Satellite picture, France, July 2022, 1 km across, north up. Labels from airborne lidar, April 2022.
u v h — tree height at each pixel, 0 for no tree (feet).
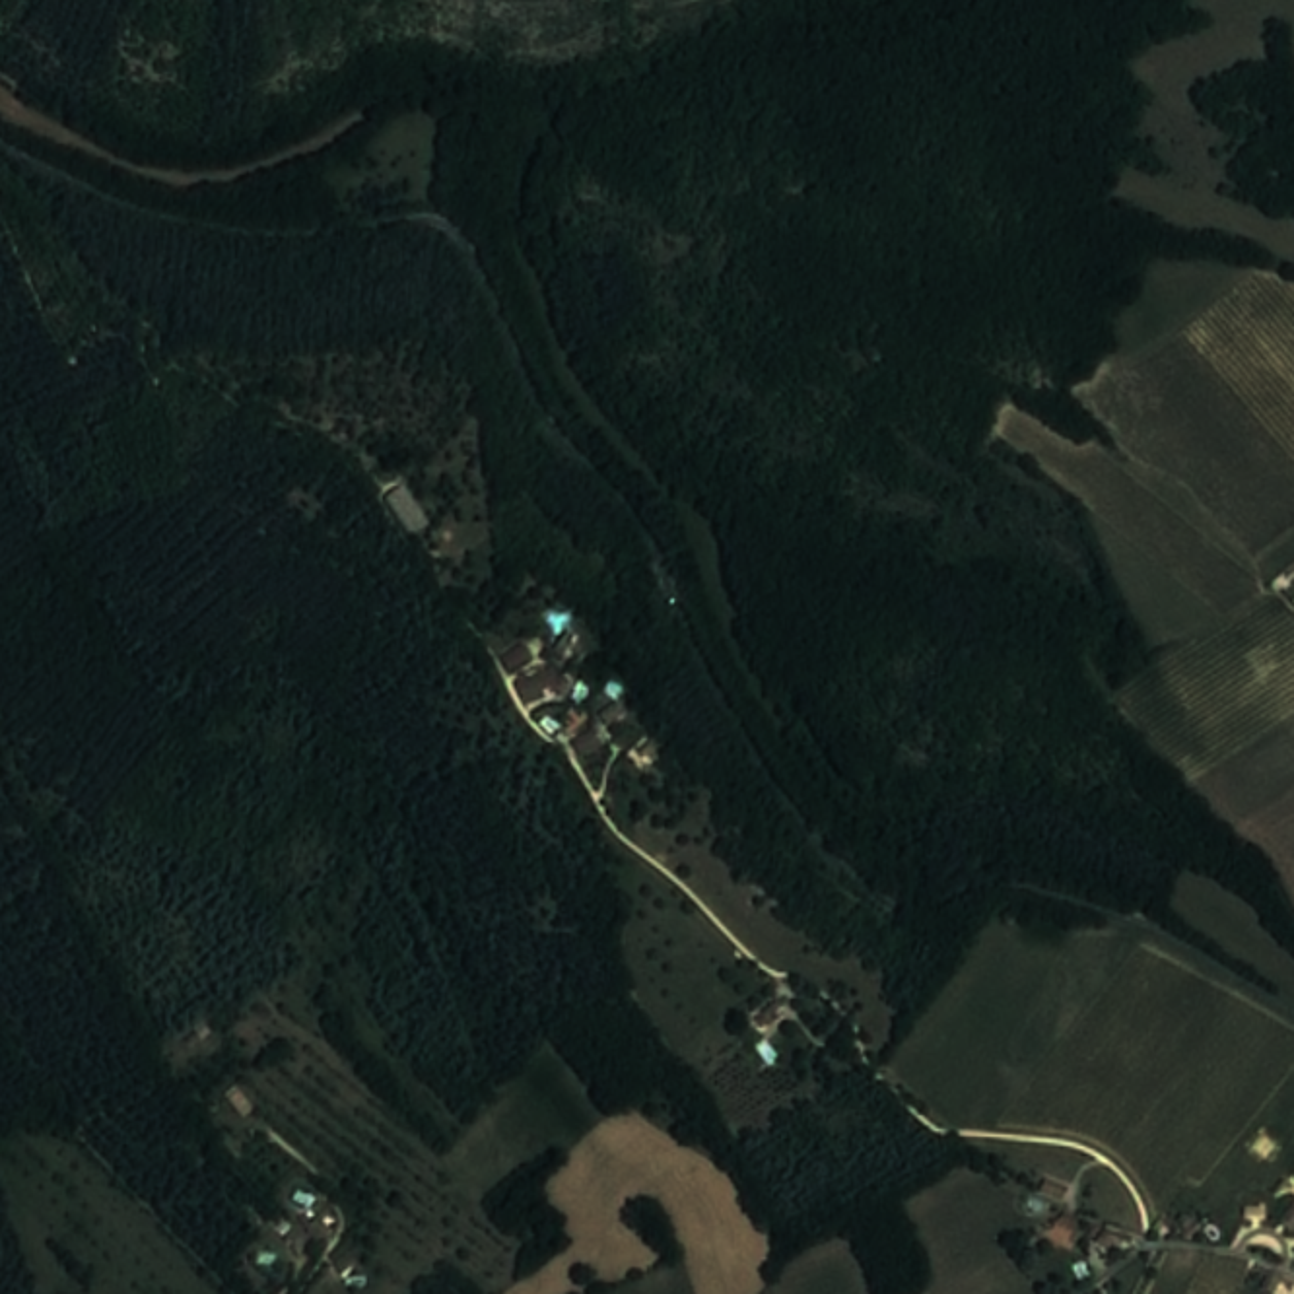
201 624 52
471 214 53
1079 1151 0
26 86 48
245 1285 34
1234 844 40
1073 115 41
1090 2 35
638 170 44
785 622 46
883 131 37
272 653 44
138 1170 44
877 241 38
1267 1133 0
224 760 36
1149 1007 0
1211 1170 0
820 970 0
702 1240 0
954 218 28
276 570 51
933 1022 0
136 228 64
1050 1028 0
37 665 60
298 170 53
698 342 24
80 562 47
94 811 50
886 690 31
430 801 59
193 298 54
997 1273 0
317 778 32
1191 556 0
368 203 19
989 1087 0
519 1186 43
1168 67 0
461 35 0
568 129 54
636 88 47
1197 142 0
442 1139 31
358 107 43
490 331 39
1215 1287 0
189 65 24
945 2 40
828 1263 0
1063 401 31
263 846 24
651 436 53
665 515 72
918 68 34
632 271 29
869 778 44
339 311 62
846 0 51
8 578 44
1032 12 42
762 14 56
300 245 40
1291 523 0
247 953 53
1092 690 47
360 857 18
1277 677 0
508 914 38
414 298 54
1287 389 0
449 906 21
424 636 41
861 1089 40
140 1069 50
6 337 47
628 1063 41
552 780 36
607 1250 0
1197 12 40
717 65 37
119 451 19
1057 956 0
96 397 48
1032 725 31
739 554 58
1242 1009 0
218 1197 42
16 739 27
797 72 52
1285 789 0
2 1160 0
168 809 27
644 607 51
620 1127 0
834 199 40
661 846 0
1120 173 42
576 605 32
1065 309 46
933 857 38
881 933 33
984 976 0
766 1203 44
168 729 56
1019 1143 0
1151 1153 0
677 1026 0
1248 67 49
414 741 53
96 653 52
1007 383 26
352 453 23
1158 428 0
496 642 0
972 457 22
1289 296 0
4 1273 53
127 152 39
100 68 56
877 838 19
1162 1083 0
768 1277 44
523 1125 0
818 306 26
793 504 45
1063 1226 0
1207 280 0
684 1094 39
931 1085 0
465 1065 42
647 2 0
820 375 31
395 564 48
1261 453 0
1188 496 0
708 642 35
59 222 50
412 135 0
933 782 53
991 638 40
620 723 30
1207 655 0
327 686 57
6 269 48
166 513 43
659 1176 0
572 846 44
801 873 26
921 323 34
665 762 31
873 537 62
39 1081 46
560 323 40
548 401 44
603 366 50
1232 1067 0
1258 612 0
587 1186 0
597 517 45
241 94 32
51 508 69
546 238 31
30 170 48
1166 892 37
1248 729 0
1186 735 0
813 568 58
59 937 52
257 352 46
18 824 42
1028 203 33
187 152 24
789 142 33
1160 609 0
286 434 38
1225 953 30
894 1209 42
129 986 36
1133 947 0
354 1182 30
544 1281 0
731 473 25
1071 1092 0
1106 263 52
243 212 47
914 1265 46
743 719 29
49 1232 0
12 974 40
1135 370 0
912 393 31
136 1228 0
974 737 26
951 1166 33
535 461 37
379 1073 44
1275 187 37
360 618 43
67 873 43
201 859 30
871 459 26
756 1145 60
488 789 38
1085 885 39
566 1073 0
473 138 53
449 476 23
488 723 25
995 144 42
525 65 17
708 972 0
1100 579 31
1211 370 0
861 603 36
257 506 39
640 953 0
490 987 52
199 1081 38
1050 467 0
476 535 0
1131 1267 0
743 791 49
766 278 36
